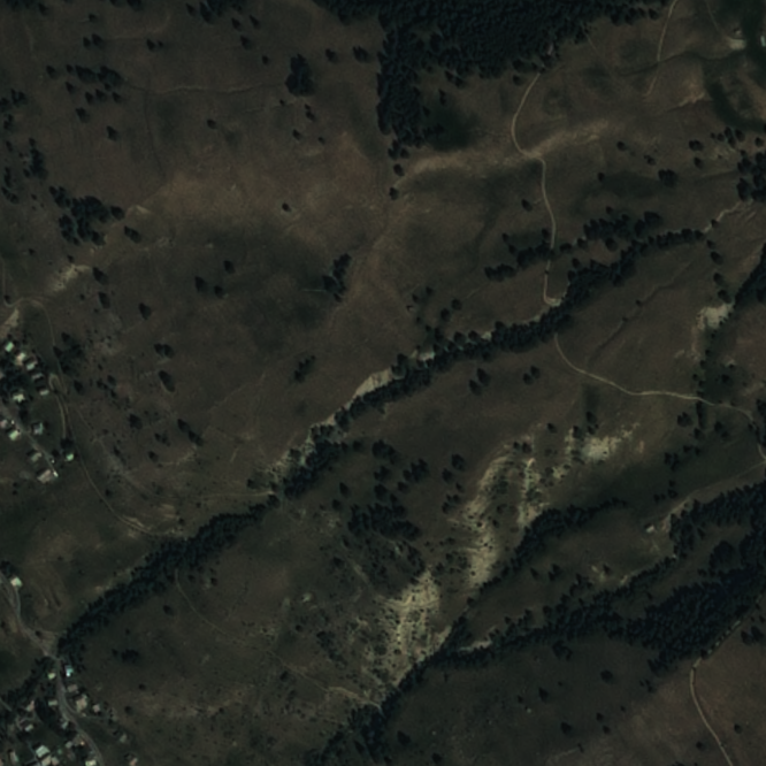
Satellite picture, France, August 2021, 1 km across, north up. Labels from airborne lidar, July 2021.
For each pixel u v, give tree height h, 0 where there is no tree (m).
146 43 0
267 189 0
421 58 22
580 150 0
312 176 0
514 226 0
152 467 0
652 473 0
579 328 0
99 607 17
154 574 13
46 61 0
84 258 0
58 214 0
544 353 0
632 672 0
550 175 0
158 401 0
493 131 0
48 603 0
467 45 19
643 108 0
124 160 0
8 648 0
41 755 0
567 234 0
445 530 0
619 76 0
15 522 0
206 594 0
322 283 0
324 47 0
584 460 0
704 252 0
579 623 18
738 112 0
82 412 0
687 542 13
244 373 0
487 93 0
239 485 0
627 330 0
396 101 18
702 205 0
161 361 0
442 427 0
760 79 0
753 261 0
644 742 0
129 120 0
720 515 21
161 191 0
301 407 0
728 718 0
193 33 0
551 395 0
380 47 0
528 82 0
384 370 0
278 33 0
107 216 17
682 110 0
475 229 0
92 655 0
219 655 0
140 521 0
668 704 0
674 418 0
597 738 0
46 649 0
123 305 0
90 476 0
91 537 0
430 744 0
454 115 0
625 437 0
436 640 0
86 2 0
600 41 0
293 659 0
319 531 0
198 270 0
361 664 0
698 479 0
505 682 0
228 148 0
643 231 17
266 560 0
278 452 0
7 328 0
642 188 0
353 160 0
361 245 0
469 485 0
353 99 0
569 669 0
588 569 0
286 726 0
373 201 0
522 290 0
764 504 17
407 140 10
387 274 0
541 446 0
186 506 0
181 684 0
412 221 0
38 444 0
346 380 0
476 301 0
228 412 0
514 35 22
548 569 0
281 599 0
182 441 0
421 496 0
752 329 0
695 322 0
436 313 0
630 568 0
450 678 0
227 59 0
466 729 0
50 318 0
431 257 0
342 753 17
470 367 0
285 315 0
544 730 0
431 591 0
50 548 0
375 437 0
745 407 0
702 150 10
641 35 0
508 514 0
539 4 21
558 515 15
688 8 0
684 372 0
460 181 0
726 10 0
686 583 0
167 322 0
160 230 0
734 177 0
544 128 0
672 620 17
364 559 0
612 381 0
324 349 0
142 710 0
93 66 0
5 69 0
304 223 0
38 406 0
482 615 0
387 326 0
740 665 0
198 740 0
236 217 0
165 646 0
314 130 0
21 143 0
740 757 0
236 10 10
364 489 0
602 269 16
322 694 0
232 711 0
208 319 0
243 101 0
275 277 0
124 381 0
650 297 0
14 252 0
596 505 0
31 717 7
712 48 0
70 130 0
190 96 0
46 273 0
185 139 0
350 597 0
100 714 9
